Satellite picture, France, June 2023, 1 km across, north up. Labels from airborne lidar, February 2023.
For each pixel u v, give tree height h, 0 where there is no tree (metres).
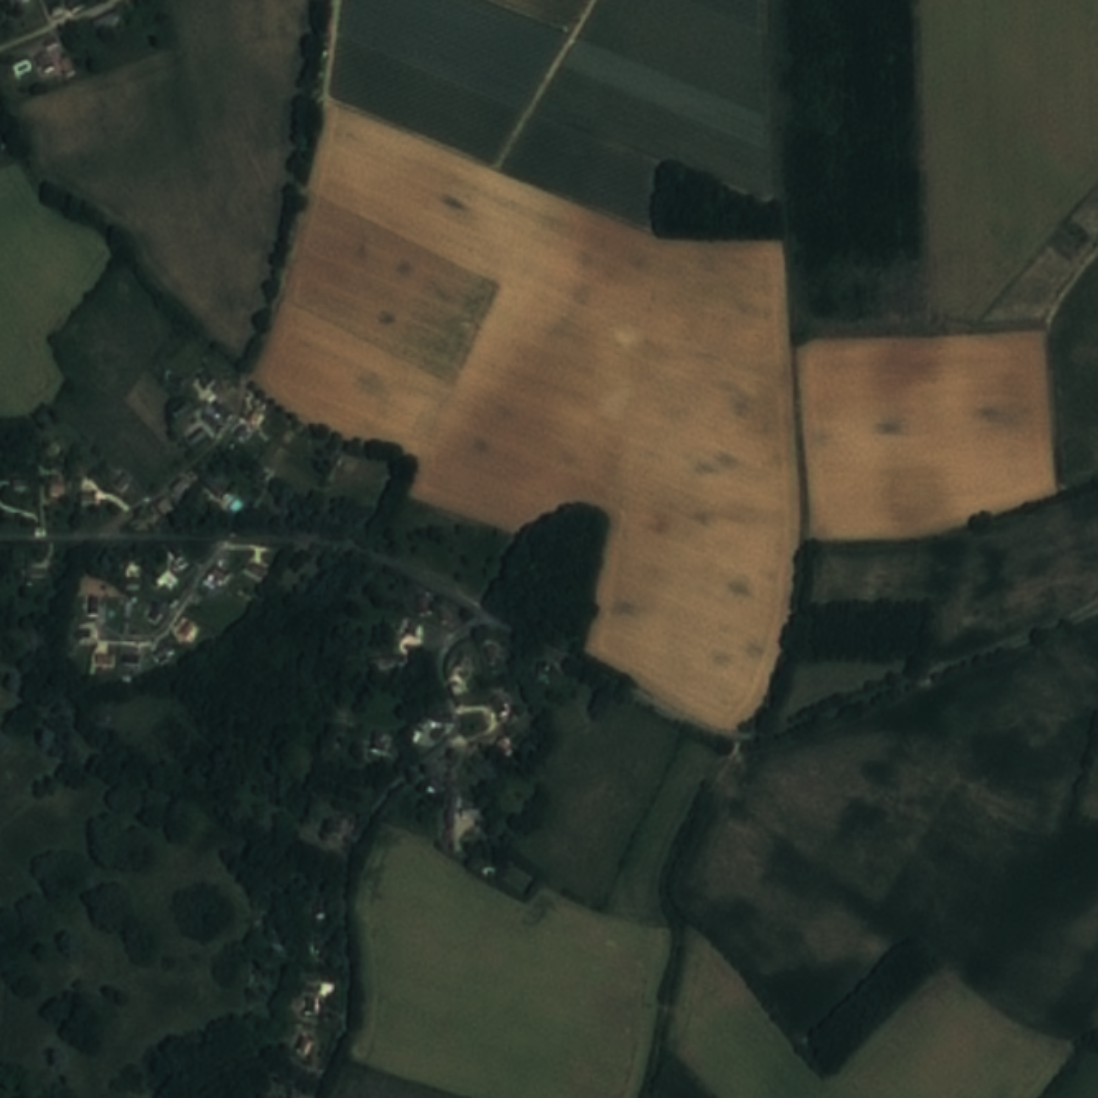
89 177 0
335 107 0
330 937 16
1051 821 0
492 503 0
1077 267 0
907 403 0
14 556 13
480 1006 0
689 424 0
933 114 0
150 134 0
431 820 8
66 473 6
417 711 18
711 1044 0
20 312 0
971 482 0
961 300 0
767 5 0
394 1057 0
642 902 0
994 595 0
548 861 0
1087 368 0
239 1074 19
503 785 12
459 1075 0
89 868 17
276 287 12
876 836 0
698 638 0
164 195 0
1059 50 0
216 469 14
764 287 0
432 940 0
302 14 0
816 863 0
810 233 6
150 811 24
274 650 22
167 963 5
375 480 0
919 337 0
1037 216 0
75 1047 17
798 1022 0
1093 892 0
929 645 14
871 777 0
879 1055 0
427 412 0
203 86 0
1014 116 0
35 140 0
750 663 0
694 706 0
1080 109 0
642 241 0
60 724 22
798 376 0
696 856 0
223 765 29
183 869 0
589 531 25
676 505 0
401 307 0
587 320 0
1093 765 10
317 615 19
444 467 0
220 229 0
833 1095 0
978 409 0
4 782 0
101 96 0
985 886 0
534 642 19
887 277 0
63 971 0
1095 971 0
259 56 0
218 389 0
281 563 12
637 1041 0
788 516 0
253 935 7
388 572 7
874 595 0
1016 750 0
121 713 0
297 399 0
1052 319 0
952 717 0
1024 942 0
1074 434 0
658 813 0
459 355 0
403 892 0
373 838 12
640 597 0
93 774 20
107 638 0
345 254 0
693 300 0
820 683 0
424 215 0
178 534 8
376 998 0
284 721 6
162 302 13
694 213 20
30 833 0
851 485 0
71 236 0
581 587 22
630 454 0
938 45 0
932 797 0
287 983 18
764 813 0
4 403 0
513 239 0
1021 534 0
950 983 0
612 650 0
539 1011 0
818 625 9
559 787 0
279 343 0
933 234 0
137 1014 0
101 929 23
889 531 0
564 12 0
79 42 7
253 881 19
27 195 0
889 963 14
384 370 0
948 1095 0
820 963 0
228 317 0
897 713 0
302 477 0
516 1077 0
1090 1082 0
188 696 12
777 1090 0
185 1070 24
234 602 0
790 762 0
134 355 0
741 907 0
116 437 0
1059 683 0
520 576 20
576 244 0
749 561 0
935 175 0
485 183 0
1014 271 0
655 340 0
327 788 11
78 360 0
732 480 0
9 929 21
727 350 0
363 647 14
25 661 7
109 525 0
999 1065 0
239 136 0
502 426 0
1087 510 0
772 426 0
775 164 0
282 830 18
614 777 0
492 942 0
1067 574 0
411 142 0
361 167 0
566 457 0
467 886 0
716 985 0
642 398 0
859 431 0
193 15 0
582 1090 0
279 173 0
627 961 0
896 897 0
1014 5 0
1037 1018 0
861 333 0
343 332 0
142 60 0
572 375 0
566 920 0
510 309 0
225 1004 0
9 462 7
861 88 6
